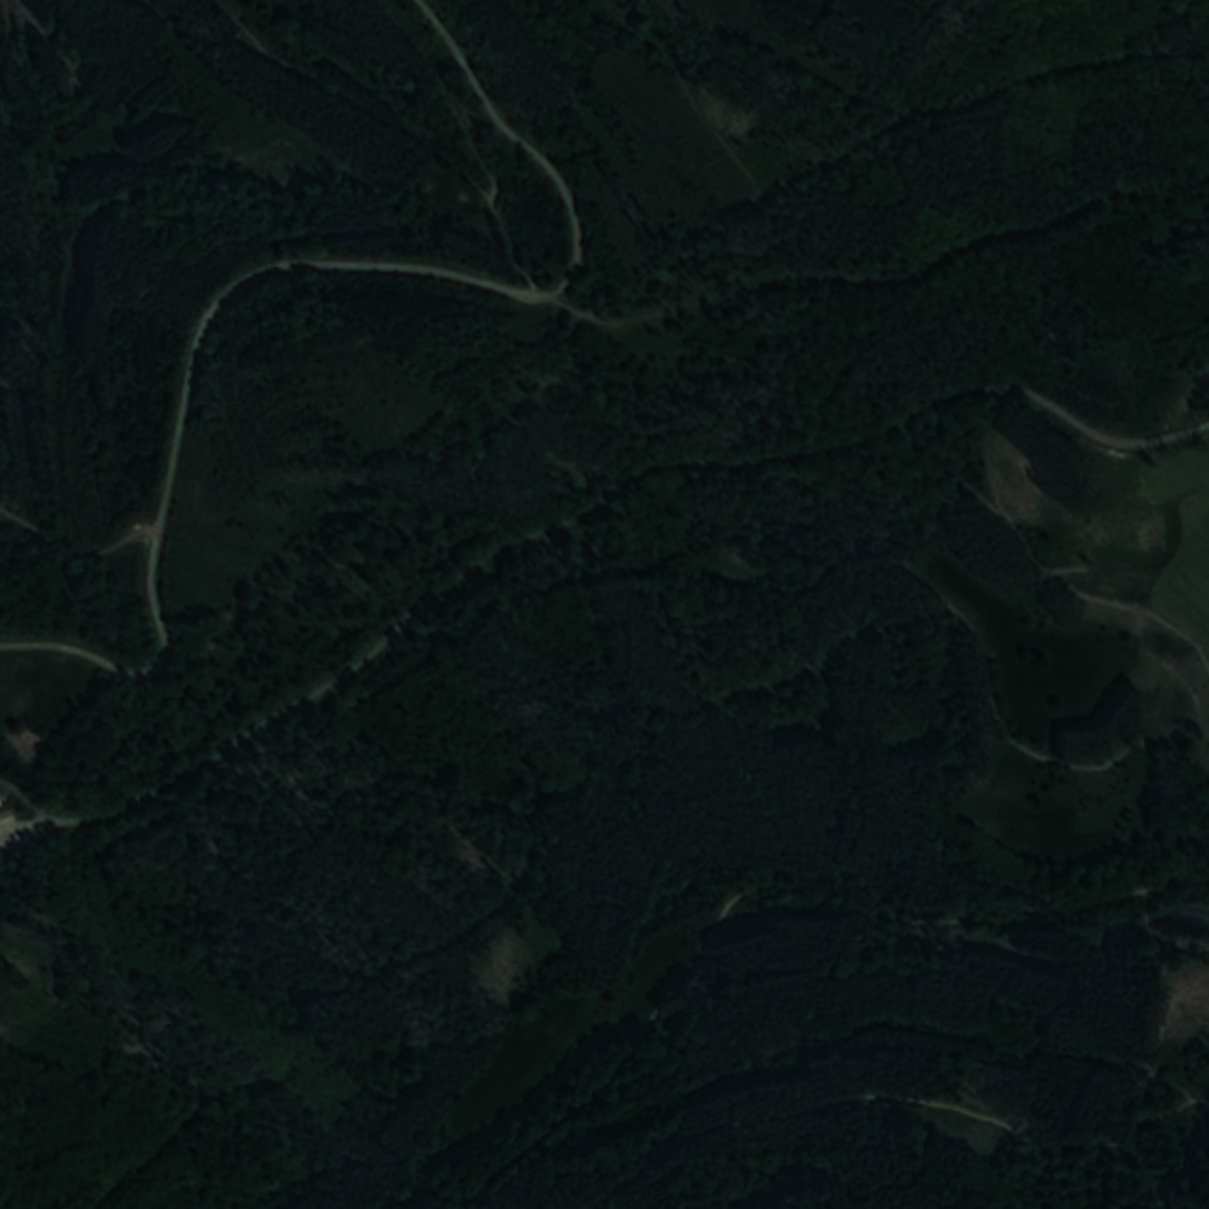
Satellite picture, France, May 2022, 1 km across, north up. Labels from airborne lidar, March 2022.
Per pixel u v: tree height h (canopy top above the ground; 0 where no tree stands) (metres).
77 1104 20
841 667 28
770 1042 28
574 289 12
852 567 34
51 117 16
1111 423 21
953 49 11
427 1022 36
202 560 0
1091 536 0
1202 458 0
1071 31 21
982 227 18
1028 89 18
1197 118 17
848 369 26
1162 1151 15
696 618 32
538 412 24
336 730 34
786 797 28
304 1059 26
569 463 23
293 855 34
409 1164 24
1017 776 0
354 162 32
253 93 25
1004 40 18
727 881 26
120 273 28
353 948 29
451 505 15
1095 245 12
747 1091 24
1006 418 32
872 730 27
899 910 26
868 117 16
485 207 0
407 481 25
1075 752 24
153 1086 23
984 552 31
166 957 25
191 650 22
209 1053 28
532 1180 22
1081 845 0
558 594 15
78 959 24
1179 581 0
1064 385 25
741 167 0
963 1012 29
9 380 32
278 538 0
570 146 27
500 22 20
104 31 30
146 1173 12
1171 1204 21
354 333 13
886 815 30
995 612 0
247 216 23
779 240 26
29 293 35
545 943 0
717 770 31
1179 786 26
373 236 28
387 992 31
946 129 28
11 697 0
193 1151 20
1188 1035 0
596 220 15
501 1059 0
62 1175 11
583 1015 0
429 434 9
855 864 29
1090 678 0
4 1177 23
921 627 22
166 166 26
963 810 0
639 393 28
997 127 21
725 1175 32
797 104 27
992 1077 25
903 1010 22
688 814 33
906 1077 28
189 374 0
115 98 30
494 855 34
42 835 19
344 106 26
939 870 28
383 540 35
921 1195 24
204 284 21
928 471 32
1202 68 18
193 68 0
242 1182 25
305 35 23
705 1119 21
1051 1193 19
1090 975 30
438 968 32
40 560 14
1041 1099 16
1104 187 29
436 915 27
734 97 26
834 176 19
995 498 0
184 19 16
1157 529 0
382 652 0
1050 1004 26
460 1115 0
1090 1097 29
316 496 0
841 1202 27
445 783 41
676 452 26
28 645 0
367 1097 25
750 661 31
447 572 31
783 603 32
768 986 27
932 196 30
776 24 8
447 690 11
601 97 26
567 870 29
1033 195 31
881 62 15
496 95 21
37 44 25
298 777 32
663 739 30
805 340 27
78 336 26
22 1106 19
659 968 0
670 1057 22
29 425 28
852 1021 22
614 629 25
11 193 32
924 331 26
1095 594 0
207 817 30
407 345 16
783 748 30
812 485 37
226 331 9
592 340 9
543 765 21
